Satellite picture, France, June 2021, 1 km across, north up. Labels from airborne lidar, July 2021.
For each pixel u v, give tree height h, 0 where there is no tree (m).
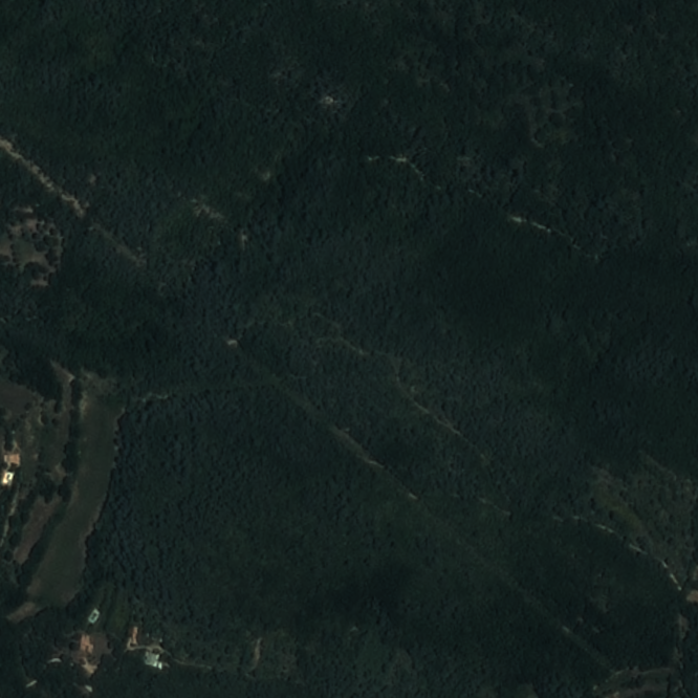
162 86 8
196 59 9
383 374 8
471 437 15
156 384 8
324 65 15
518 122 16
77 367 7
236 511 12
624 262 18
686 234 10
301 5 9
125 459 10
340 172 14
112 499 8
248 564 16
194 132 11
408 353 12
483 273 16
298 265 12
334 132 13
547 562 11
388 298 14
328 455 12
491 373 12
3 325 14
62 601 0
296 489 8
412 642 10
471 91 11
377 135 13
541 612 8
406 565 11
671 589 14
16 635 10
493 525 7
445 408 15
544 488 9
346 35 11
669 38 7
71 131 7
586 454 8
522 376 14
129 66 13
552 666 13
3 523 7
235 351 12
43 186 11
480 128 9
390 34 13
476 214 13
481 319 14
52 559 0
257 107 13
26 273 12
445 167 12
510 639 11
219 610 8
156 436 11
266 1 14
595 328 8
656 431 9
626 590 8
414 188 15
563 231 12
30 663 14
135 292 10
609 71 19
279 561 10
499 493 8
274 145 8
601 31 10
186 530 16
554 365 12
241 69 10
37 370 14
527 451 13
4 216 7
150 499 7
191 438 8
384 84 13
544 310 10
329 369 8
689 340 11
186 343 10
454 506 10
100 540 10
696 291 19
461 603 6
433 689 10
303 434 12
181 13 11
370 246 10
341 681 14
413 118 13
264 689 16
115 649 8
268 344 8
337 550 6
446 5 10
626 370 18
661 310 15
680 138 13
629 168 6
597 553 11
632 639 10
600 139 10
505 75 10
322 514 8
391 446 15
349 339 8
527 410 17
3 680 9
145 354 12
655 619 13
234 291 15
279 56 8
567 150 13
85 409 0
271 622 8
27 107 10
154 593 12
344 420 8
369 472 10
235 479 14
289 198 20
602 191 15
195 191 12
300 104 11
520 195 15
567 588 13
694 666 12
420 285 13
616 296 16
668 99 16
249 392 8
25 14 10
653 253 10
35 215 9
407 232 9
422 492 8
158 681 8
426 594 6
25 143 10
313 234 11
